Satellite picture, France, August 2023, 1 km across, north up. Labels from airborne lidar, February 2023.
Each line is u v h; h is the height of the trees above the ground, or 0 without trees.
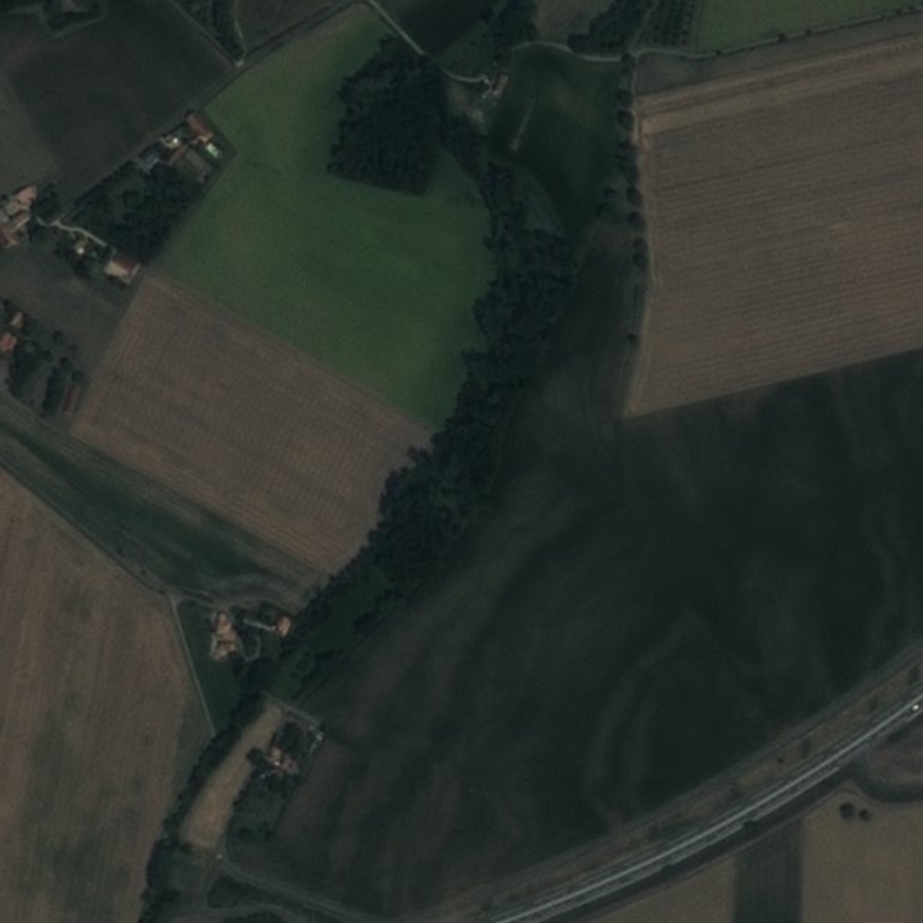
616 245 0
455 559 0
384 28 0
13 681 0
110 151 0
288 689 0
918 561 0
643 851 0
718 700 0
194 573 0
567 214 0
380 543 21
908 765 0
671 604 0
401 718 0
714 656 0
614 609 0
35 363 14
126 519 0
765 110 0
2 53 0
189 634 0
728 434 0
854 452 0
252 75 0
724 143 0
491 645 0
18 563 0
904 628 0
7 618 0
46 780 0
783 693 0
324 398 0
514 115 0
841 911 0
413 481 19
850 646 0
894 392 0
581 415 0
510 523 0
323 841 0
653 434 0
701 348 0
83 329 0
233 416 0
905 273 0
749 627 0
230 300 0
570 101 0
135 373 0
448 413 0
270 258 0
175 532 0
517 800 0
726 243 0
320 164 0
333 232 0
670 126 0
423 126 22
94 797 0
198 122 0
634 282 0
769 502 0
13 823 0
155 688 0
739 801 0
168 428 0
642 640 0
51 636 0
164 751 0
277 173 0
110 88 0
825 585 0
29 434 0
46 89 0
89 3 32
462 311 0
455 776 0
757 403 0
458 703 0
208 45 0
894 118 0
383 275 0
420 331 0
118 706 0
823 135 0
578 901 0
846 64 0
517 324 18
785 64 0
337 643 0
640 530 0
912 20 0
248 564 0
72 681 0
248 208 0
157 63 0
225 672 0
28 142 0
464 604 0
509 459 0
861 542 0
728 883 0
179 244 0
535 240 17
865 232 0
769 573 0
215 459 0
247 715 14
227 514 0
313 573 0
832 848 0
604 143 0
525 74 0
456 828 0
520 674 0
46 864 0
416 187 6
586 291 0
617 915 0
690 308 0
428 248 0
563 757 0
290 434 0
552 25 0
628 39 12
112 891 0
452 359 0
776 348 0
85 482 0
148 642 0
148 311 0
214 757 14
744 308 0
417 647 0
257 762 14
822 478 0
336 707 0
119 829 0
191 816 0
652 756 0
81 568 0
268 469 0
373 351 0
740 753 0
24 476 0
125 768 0
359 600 0
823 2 0
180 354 0
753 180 0
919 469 0
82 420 0
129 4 0
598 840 0
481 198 0
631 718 0
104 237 13
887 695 0
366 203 0
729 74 0
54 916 0
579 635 0
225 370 0
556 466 0
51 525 0
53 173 0
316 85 0
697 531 0
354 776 0
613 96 0
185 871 0
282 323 0
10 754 0
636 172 12
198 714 0
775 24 0
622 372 0
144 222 18
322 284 0
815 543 0
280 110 0
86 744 0
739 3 0
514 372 36
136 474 0
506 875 0
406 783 0
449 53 0
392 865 0
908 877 0
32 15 0
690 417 0
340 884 0
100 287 0
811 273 0
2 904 0
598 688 0
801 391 0
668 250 0
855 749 0
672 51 0
